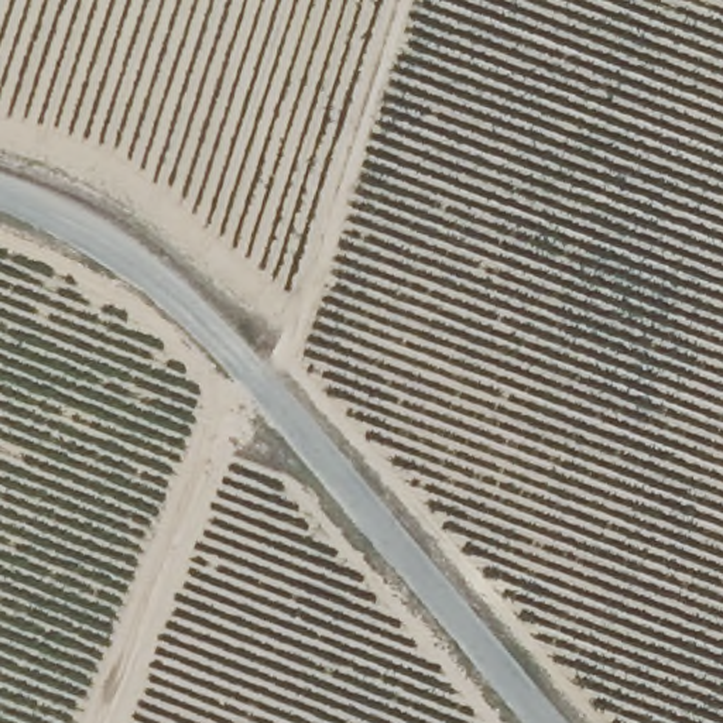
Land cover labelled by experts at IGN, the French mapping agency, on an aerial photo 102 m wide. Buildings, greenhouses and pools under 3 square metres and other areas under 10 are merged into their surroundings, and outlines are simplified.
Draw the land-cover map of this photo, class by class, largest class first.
<instances>
[{"label":"vineyard","instance_id":"1","mask_svg":"<svg viewBox=\"0 0 723 723\"><path fill-rule=\"evenodd\" d=\"M17 99H25L23 119H28L31 107H40L37 124L76 133L79 121L85 124V138L90 133H99V144L107 141V130H116V147L121 138H130L127 158H133V153L141 155V169L147 167V161H155L153 184L172 186L175 178H184L181 198H186L192 178H201L192 212L203 215L206 226L212 223V217L220 220V234L229 226H234L232 249L243 251L246 257L260 254V268L274 265L271 277L285 291H294V280L305 257V246L319 212V201L328 184L339 138L345 127L350 133L367 127L370 138L364 150L362 175L356 181V195L350 201V223L339 237L333 263L336 285L328 288V294L319 302V311L313 313V325L305 342V370L311 376L325 378V395L347 404V418L367 424V441L393 449V466L410 474L412 489L426 491L429 511L443 514V531H452L466 539L463 554L483 559L486 579L506 582L503 599L520 604V621L531 624V635L548 647L573 652V658L554 655V664L573 669V683L590 689L593 709L610 712L613 723H723V0H0V110L14 116ZM201 387L186 378V364L169 356L158 336L127 328L124 308L104 305L96 313H90V299L76 291V280L71 274L54 271L48 263L31 260L0 246V723H73V709L79 698L88 695L102 652L113 641L116 613L136 576L144 534L164 506L167 483L175 463H181L184 458L186 438L195 424ZM285 474L280 469L234 455L220 483V491L212 503V520L206 522L201 542H195L189 576L181 593H175V610L169 613V621L158 635L147 692L141 695L130 723H474V709L458 703L455 686L441 681V664L415 655V638L401 633V621L395 616L378 610L376 593L364 590L362 573L336 562V548L308 534V520H302L299 506L285 497Z\"/></svg>","mask_w":723,"mask_h":723},{"label":"plowed land","instance_id":"2","mask_svg":"<svg viewBox=\"0 0 723 723\"><path fill-rule=\"evenodd\" d=\"M25 99H17L14 116L0 110V150L62 167L73 178L90 181L96 186L90 198L119 201L127 215L147 223L150 232H155L189 265L209 277L212 285L220 294H226V299L240 305L246 313L260 316L271 330H277L280 339L271 353L280 370L294 376V381L350 441V446L381 477V483L390 491H395L404 508L438 542V548L460 570L469 587L491 607V613L506 624L517 644L531 652L539 669L587 723H613L610 712L593 709L590 689L573 683V669L554 664V655L573 658V652L548 647L531 635V624L520 621V604L503 599L506 582L486 579L483 559L463 554L466 539L452 531H443V514L429 511L426 491L412 489L410 474L393 466V449L367 441V424L347 418V404L325 395V378L311 376L305 370V342L313 325V313L319 311V302L328 294V288L336 285L333 263L339 237L350 223V201L356 195V181L362 175L364 150L370 138L367 127L350 133L345 127L339 138L328 184L319 201V212L305 246V257L294 280V291H285L271 277L274 265L260 268V254L246 257L243 251L232 249L234 226H229L220 234V220L212 217V223L206 226L203 215L192 212L201 178H192L186 198H181L184 178H175L172 186L153 184L155 161H147V167L141 169V155L133 153V158H127L130 138H121L116 147V130H107V141L99 144V133H90L85 138V124L79 121L76 133L37 124L40 107H31L28 119H23ZM285 497L299 506L302 520H308V534L336 548V562L362 573L364 590L376 593L378 610L395 616L401 621V633L415 638V655L441 664V681L455 686L458 703L474 709V723H503L500 712L483 700L480 689L466 678L452 652L407 607V599L364 562V556L325 517L313 491L297 483L291 474H285Z\"/></svg>","mask_w":723,"mask_h":723},{"label":"impervious surface","instance_id":"3","mask_svg":"<svg viewBox=\"0 0 723 723\"><path fill-rule=\"evenodd\" d=\"M0 226L23 232L31 240H40L42 246L59 251L62 257L82 263L93 274L116 280L124 291L138 297L153 313L172 325L184 336V342L192 345L212 364V370L220 378L240 381L251 393V398L274 418L271 426L288 441V446L302 458V463L316 474V480L353 520V525L373 542V548L387 559V565H393L404 576V582H410V587L421 596L429 613L452 633V638L463 647L477 672L494 686V692L514 709V715L522 723H565L556 715V709L539 695L534 681L522 672V667L494 638V633L472 613L466 599L449 585V579L424 556L412 537L398 525L393 511L359 477L353 463L342 458V452L316 426V421L277 381L280 370L271 353H254L246 345V339L195 288L186 285V280H181L169 265H164L138 240L127 237L113 223L25 181L0 175Z\"/></svg>","mask_w":723,"mask_h":723},{"label":"pervious surface","instance_id":"4","mask_svg":"<svg viewBox=\"0 0 723 723\"><path fill-rule=\"evenodd\" d=\"M0 246L31 260L48 263L54 271L71 274L76 280V291L90 299V313H96L104 305L124 308L127 328L158 336L169 356L186 364V378L201 387L195 424L186 438L184 458L181 463H175L167 483L164 506L144 534L136 576L116 613L113 641L102 652L88 695L79 698L73 709V723H130L141 695L147 692L158 635L169 621V613L175 610V593H181L189 576L195 542H201L206 522L212 520V503L220 491V483L234 455L251 441V421L257 415L265 418V424L271 426L274 418L251 398V393L240 381L220 378L212 370V364L192 345L184 342V336L172 325L153 313L138 297L124 291L116 280L93 274L82 263L62 257L59 251L42 246L40 240H31L23 232L0 226Z\"/></svg>","mask_w":723,"mask_h":723},{"label":"herbaceous vegetation","instance_id":"5","mask_svg":"<svg viewBox=\"0 0 723 723\"><path fill-rule=\"evenodd\" d=\"M0 175L25 181L113 223L127 237L138 240L164 265H169L181 280H186V285L195 288L246 339V345L254 353H271L280 339L277 330H271L260 316L246 313L240 305L226 299V294H220L212 285L209 277L189 265L155 232H150L147 223L127 215L119 201L90 198L96 186L90 181L73 178L62 167L0 150ZM277 381L316 421V426L342 452V458L353 463L359 477L393 511L398 525L412 537L424 556L449 579V585L466 599L472 613L494 633V638L522 667V672L534 681L539 695L556 709V715L565 723H587L539 669L531 652L517 644L506 624L491 613V607L469 587L460 570L438 548V542L404 508L395 491H390L381 483V477L350 446V441L294 381V376L280 370ZM251 441L234 455L280 469L285 474H291L297 483L313 491L325 517L364 556V562L407 599V607L452 652L466 678L480 689L483 700L500 712L503 723H522L514 715V709L494 692V686L477 672L463 647L452 638V633L429 613L421 596L410 587V582H404V576L393 565H387V559L373 548V542L353 525V520L316 480V474L302 463V458L288 446V441L271 426L265 424V418L257 415L251 421Z\"/></svg>","mask_w":723,"mask_h":723}]
</instances>
